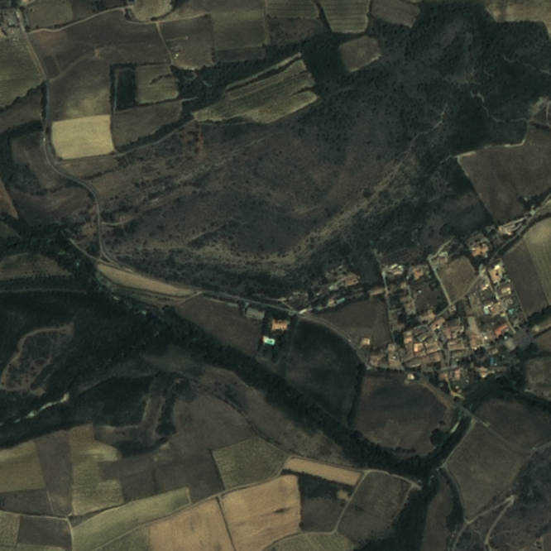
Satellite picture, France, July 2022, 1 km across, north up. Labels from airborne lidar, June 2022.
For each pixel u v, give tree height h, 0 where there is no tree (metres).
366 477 0
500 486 0
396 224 14
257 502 0
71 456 0
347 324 0
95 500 0
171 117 0
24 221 11
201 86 12
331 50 6
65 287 8
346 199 0
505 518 0
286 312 9
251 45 0
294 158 0
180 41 0
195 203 0
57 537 0
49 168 0
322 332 0
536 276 0
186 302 0
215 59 7
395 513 0
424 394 0
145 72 0
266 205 0
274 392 8
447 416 0
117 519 0
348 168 0
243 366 13
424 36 11
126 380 10
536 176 0
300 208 0
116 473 0
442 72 8
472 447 0
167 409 7
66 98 0
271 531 0
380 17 0
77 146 0
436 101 8
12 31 0
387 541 9
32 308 6
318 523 0
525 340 0
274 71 6
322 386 0
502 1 0
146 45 0
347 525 0
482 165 0
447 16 8
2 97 0
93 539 0
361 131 0
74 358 6
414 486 0
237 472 0
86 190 0
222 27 0
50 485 0
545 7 0
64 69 0
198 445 0
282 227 0
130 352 16
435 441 19
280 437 0
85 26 0
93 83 0
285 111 0
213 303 0
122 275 0
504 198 0
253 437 0
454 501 8
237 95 0
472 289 0
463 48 12
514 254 0
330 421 12
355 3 0
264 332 10
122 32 0
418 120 6
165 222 0
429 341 0
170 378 7
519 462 0
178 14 0
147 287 0
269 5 0
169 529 0
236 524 0
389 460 16
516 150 0
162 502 0
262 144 0
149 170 0
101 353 8
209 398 0
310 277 7
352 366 0
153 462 0
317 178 0
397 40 9
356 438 21
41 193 7
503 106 9
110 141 0
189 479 0
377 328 0
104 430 0
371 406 0
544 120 0
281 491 0
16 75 0
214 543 0
